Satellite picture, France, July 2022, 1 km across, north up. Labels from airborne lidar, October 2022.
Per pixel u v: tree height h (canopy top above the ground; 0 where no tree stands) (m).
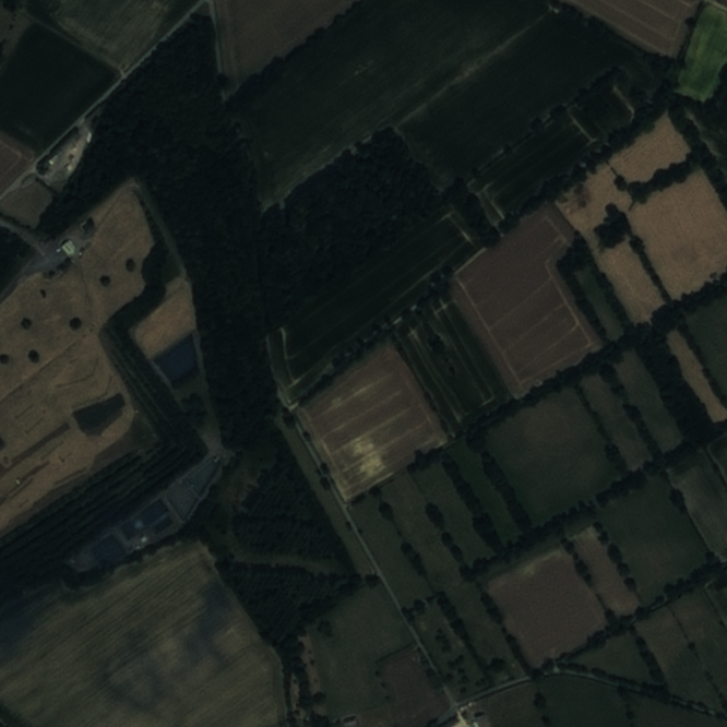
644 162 0
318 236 28
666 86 15
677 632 0
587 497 0
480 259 0
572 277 18
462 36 0
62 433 0
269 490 25
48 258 0
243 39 0
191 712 0
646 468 15
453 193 16
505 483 21
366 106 0
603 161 11
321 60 0
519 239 0
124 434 0
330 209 21
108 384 0
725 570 7
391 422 0
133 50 0
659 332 22
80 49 0
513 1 0
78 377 0
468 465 0
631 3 0
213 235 19
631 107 0
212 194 17
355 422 0
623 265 0
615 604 0
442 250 0
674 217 0
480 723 0
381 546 0
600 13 0
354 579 11
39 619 0
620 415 0
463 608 0
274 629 23
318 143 0
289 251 26
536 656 0
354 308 0
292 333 0
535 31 0
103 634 0
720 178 18
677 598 8
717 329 0
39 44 0
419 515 0
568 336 0
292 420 18
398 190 21
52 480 0
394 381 0
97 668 0
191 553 0
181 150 22
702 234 0
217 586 0
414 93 0
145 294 9
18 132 0
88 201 18
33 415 0
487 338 0
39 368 0
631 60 0
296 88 0
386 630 0
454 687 0
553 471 0
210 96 21
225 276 23
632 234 9
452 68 0
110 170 20
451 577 0
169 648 0
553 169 0
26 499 0
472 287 0
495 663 13
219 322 23
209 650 0
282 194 0
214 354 21
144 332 0
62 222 16
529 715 0
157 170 20
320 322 0
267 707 0
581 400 7
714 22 0
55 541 12
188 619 0
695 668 0
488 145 0
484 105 0
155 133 21
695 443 11
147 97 19
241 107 18
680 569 0
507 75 0
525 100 0
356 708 0
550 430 0
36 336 0
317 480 0
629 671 0
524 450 0
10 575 12
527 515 17
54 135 0
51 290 0
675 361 17
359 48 0
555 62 0
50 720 0
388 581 0
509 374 0
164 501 0
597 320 13
